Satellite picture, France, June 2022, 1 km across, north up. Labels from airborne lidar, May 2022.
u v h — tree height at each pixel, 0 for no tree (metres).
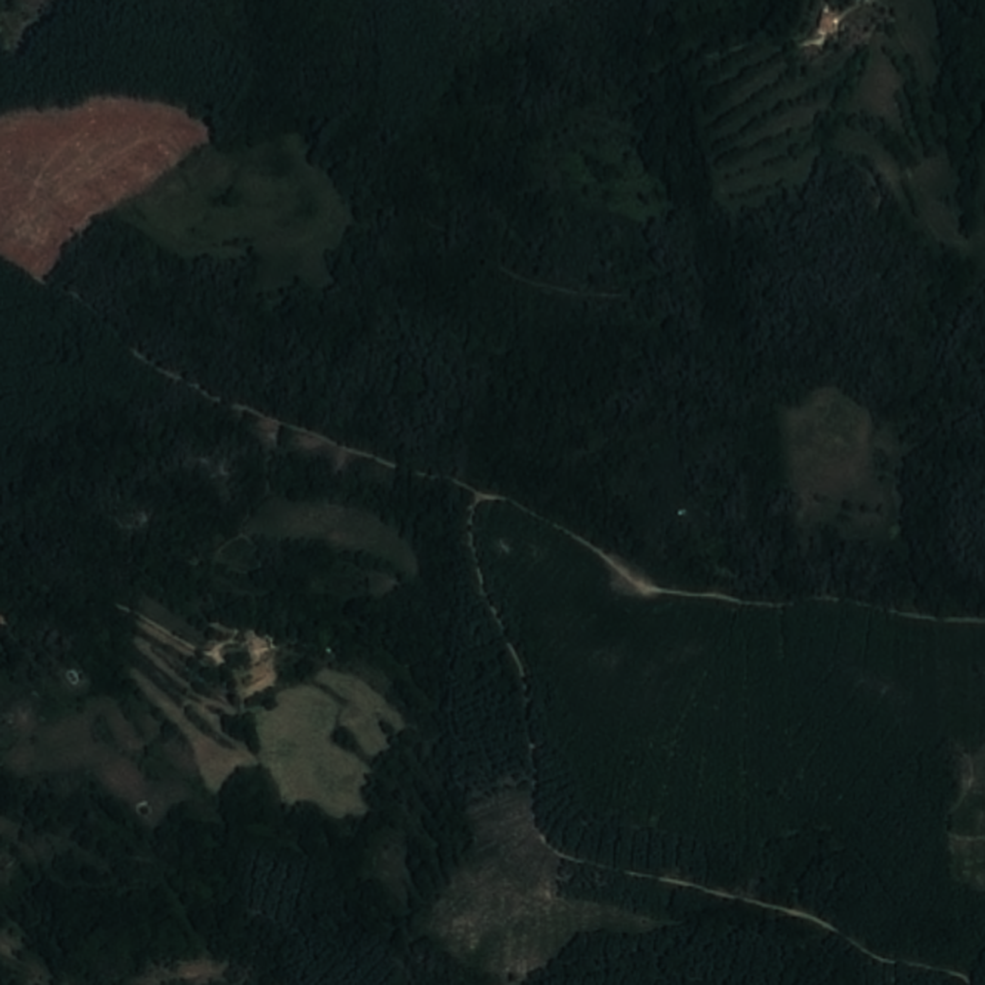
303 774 0
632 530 10
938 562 15
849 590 11
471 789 20
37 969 0
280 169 0
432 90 28
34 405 20
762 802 7
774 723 7
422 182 12
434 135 16
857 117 11
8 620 16
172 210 0
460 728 19
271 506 0
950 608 12
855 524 0
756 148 9
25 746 0
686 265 12
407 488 8
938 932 12
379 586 0
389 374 13
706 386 9
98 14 34
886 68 0
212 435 6
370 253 12
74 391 19
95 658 9
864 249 23
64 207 0
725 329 9
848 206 14
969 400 18
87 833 9
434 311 7
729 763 7
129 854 12
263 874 21
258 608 16
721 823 8
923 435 14
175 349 20
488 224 11
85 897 13
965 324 18
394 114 25
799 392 9
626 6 28
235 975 16
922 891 12
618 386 8
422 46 24
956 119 13
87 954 18
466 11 18
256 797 7
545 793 21
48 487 19
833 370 12
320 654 7
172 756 0
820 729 5
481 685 19
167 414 15
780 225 12
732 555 9
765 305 14
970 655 0
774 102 0
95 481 15
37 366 23
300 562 14
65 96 31
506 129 11
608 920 0
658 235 20
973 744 0
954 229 0
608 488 7
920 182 0
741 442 5
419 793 10
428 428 10
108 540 16
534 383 6
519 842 0
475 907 0
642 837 15
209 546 12
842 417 0
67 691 0
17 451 18
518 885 0
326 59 21
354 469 8
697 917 18
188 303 16
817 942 10
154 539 12
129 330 14
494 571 9
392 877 0
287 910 14
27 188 0
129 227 12
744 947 22
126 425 15
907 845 10
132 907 13
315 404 16
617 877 17
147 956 16
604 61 15
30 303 22
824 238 18
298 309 19
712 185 13
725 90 14
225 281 13
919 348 9
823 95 11
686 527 7
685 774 6
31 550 19
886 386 17
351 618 20
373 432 11
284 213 0
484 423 8
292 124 21
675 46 6
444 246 6
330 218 0
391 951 14
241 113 26
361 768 0
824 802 8
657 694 0
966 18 28
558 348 10
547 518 7
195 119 19
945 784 7
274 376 11
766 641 8
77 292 14
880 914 12
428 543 9
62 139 0
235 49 24
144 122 0
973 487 17
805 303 18
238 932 7
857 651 8
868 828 11
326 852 14
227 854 14
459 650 17
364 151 10
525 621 6
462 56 25
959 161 13
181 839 12
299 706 0
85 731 0
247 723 15
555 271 9
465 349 14
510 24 18
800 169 0
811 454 0
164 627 0
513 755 19
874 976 15
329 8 21
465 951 0
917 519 14
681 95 10
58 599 15
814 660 8
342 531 0
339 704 0
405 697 12
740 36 8
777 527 8
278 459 7
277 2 27
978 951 7
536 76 17
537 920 0
